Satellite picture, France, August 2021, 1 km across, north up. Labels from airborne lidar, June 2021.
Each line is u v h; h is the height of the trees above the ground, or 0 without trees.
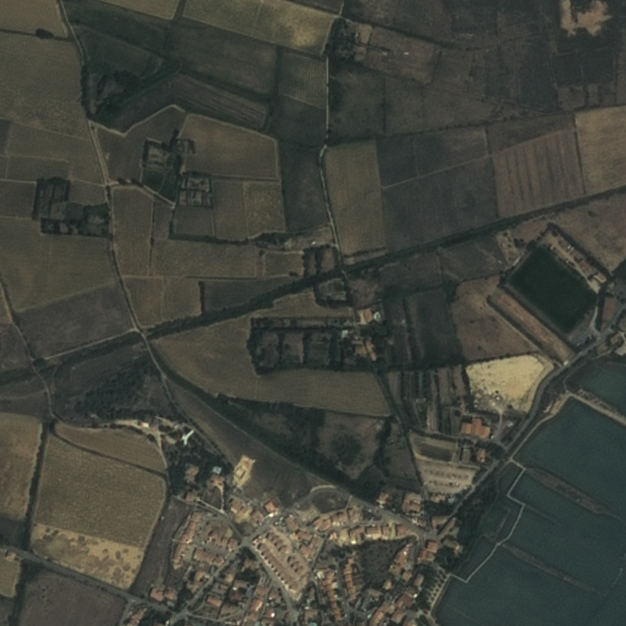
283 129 0
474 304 0
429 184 0
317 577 0
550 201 0
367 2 0
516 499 0
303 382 0
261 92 0
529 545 0
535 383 0
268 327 12
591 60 0
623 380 0
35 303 0
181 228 0
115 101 6
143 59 0
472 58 0
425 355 0
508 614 0
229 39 0
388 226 0
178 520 0
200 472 6
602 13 0
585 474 0
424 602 10
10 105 0
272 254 0
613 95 0
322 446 0
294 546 0
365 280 8
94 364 0
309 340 10
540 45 0
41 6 0
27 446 0
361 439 0
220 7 0
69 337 0
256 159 0
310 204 0
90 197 0
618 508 0
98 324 0
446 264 0
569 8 0
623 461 0
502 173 0
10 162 0
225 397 7
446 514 6
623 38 0
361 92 0
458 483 0
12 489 0
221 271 0
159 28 0
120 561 0
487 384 0
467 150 0
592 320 0
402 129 0
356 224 0
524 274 0
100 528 0
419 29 0
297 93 0
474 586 0
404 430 6
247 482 0
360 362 8
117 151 0
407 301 9
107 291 0
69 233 6
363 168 0
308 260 10
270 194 0
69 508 0
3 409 0
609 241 0
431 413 0
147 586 0
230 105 0
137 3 0
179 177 9
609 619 0
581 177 0
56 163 0
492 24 0
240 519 0
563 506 0
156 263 0
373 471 0
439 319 0
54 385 0
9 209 0
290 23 0
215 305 0
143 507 0
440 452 0
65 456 0
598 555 0
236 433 0
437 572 8
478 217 0
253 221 0
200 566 0
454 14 0
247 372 0
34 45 0
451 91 0
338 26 6
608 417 0
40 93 0
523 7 0
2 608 0
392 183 0
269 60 0
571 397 0
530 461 0
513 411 0
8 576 0
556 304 0
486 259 0
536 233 0
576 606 0
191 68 0
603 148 0
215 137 0
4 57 0
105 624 0
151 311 0
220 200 0
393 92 0
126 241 0
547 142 0
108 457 0
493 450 9
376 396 0
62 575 0
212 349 0
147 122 0
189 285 0
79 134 0
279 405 8
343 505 0
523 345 0
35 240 0
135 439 0
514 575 0
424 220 0
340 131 0
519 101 0
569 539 0
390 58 0
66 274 0
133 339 7
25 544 7
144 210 0
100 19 0
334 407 0
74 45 0
